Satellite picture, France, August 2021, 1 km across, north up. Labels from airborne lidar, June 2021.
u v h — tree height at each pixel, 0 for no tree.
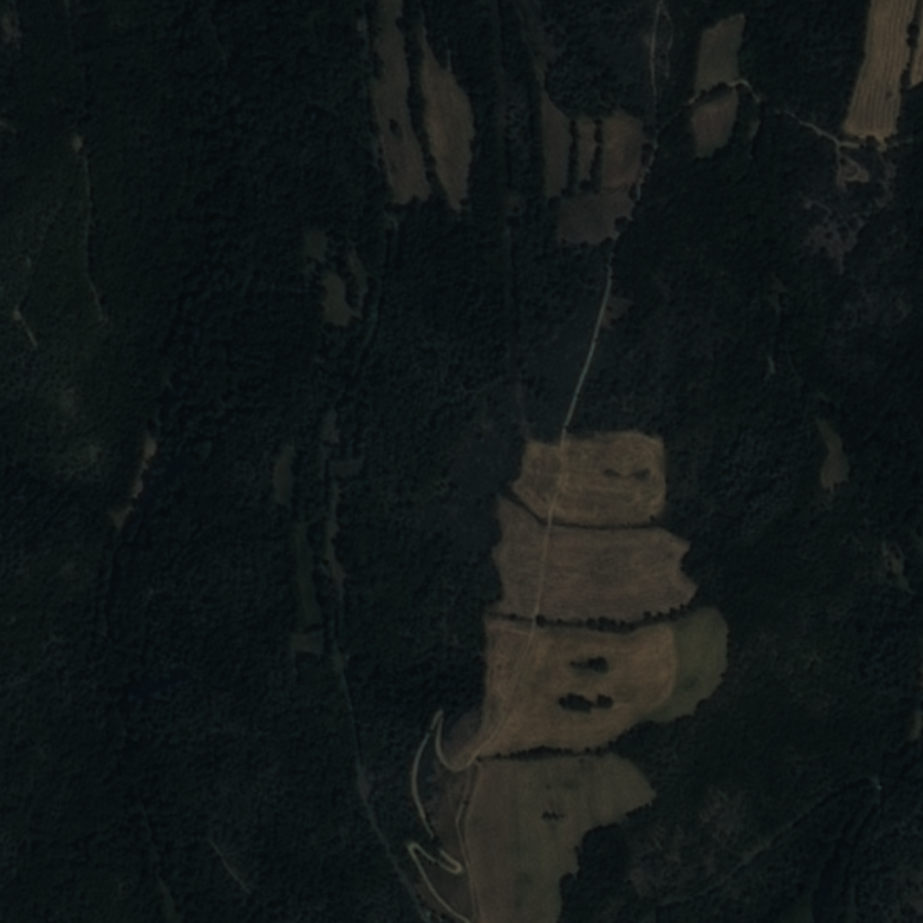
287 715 10
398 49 0
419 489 13
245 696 15
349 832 8
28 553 14
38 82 19
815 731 15
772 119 11
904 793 12
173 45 23
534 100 14
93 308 12
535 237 11
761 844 6
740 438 14
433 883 0
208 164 21
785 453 13
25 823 11
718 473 12
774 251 20
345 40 13
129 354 20
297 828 12
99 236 16
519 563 0
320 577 14
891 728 12
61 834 23
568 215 0
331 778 14
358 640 15
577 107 15
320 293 14
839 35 7
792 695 8
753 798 8
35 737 14
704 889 9
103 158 14
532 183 13
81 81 17
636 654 0
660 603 0
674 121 11
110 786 16
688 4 9
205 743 8
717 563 9
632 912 12
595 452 0
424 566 17
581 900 10
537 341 6
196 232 25
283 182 23
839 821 25
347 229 19
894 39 0
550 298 10
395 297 14
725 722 9
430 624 8
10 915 15
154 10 20
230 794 8
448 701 12
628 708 0
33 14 20
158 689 40
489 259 10
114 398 15
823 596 7
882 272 7
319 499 18
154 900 11
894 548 7
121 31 10
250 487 7
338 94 17
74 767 19
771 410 13
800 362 18
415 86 11
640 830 9
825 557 9
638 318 8
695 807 8
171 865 14
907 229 8
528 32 0
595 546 0
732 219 16
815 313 8
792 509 8
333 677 11
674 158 7
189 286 22
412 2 15
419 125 12
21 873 18
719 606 7
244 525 13
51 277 17
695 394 9
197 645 18
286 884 18
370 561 11
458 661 7
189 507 26
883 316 6
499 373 10
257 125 19
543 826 0
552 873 0
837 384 21
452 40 11
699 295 10
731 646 8
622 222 12
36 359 12
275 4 24
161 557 16
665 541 0
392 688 10
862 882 9
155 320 22
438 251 18
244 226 22
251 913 11
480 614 8
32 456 7
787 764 9
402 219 18
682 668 0
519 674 0
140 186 14
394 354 10
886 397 12
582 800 0
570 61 11
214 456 15
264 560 11
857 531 7
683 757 7
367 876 12
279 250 10
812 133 9
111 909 14
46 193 13
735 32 0
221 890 8
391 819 11
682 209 11
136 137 8
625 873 13
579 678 0
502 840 0
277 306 20
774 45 13
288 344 23
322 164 14
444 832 0
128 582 22
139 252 18
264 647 11
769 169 21
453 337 10
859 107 0
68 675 15
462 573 9
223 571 8
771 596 7
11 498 20
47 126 17
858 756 13
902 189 12
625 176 0
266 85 19
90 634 18
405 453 14
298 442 10
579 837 0
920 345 23
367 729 12
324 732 8
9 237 11
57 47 17
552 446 0
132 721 28
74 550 10
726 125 0
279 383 19
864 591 10
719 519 9
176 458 15
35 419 6
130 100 16
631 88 7
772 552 8
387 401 10
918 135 14
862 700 8
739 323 12
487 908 0
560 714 0
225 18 21
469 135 0
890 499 14
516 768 0
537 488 0
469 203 9
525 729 0
